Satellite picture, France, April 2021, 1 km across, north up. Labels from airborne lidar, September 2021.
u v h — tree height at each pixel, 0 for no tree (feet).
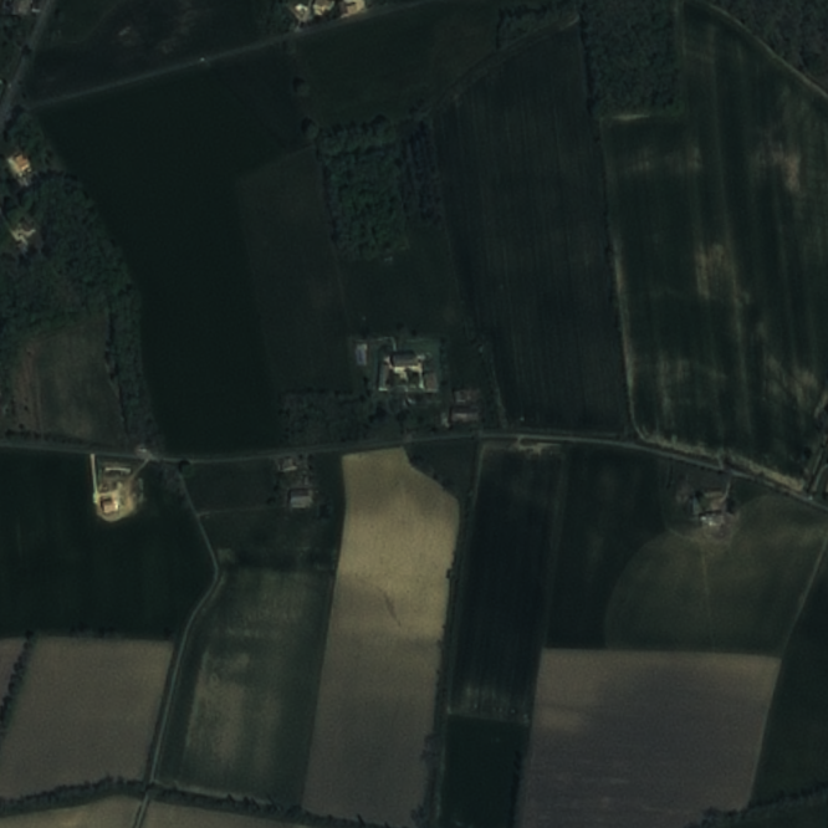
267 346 0
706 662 0
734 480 43
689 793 0
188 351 0
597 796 0
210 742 0
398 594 0
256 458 0
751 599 0
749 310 0
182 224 0
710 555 0
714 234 0
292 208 0
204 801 30
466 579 0
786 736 0
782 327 0
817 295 0
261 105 0
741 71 0
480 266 0
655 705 0
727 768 0
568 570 0
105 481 0
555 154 0
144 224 0
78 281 76
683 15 0
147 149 0
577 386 0
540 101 0
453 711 0
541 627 0
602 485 0
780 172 0
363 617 0
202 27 0
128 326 65
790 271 0
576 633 0
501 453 0
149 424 31
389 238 48
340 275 0
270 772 0
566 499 0
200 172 0
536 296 0
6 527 0
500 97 0
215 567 0
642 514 0
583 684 0
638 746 0
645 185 0
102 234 78
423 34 0
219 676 0
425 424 34
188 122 0
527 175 0
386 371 0
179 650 0
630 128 0
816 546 0
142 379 37
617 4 70
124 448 32
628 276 0
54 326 44
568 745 0
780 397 0
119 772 0
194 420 0
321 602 0
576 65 0
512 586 0
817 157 0
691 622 0
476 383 0
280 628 0
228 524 0
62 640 0
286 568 0
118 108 0
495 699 0
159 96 0
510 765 0
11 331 73
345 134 61
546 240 0
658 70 69
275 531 0
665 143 0
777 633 0
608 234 27
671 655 0
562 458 0
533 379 0
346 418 48
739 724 0
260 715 0
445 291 0
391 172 53
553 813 0
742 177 0
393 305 0
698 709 0
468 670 0
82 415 0
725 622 0
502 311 0
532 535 0
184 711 0
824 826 0
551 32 0
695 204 0
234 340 0
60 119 0
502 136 0
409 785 0
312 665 0
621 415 0
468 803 0
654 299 0
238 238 0
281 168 0
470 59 0
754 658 0
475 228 0
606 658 0
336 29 0
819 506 0
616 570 0
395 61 0
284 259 0
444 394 30
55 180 45
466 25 0
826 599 0
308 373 0
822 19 87
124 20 0
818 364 0
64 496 0
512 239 0
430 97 0
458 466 0
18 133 44
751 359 0
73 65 0
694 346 0
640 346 0
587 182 0
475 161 0
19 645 0
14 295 68
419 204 43
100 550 0
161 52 0
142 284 0
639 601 0
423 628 0
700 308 0
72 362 0
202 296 0
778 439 0
